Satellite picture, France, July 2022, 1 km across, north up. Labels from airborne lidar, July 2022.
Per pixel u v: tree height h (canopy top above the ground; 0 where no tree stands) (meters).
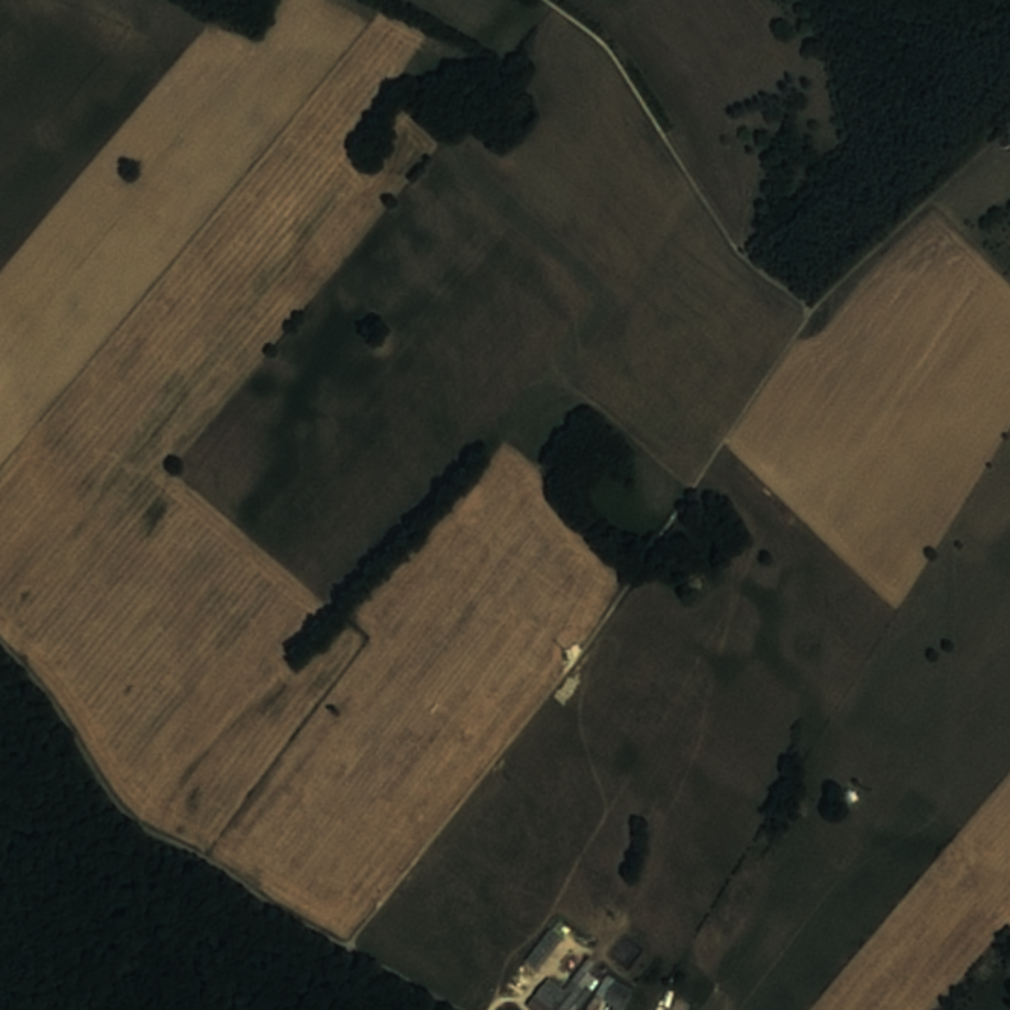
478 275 0
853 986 0
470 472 24
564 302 0
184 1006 18
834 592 0
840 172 13
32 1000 24
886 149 16
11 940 20
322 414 0
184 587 0
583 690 0
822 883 0
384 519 0
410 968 0
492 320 0
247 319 0
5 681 25
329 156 0
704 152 0
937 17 9
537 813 0
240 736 0
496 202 0
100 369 0
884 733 0
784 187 15
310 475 0
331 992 26
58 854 28
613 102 0
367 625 0
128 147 0
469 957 0
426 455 0
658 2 0
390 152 15
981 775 0
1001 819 0
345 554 0
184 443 0
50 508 0
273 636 0
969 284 0
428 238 0
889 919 0
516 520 0
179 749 0
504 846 0
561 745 0
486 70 19
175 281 0
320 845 0
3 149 0
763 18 0
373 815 0
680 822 0
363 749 0
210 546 0
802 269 19
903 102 12
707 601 0
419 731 0
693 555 14
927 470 0
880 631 0
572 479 22
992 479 0
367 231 0
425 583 0
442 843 0
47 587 0
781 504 0
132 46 0
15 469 0
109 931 27
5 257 0
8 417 0
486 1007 0
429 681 0
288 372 0
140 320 0
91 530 0
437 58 0
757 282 0
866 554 0
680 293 0
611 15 0
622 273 0
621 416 0
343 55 0
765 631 0
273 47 0
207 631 0
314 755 0
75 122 0
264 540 0
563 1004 0
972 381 0
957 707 0
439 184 0
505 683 0
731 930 0
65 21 0
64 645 0
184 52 0
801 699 0
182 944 22
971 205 0
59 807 30
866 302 0
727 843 0
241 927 24
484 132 17
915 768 0
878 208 16
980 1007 0
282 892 0
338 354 0
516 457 0
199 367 0
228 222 0
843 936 0
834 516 0
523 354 0
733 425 0
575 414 12
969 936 0
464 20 0
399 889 0
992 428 0
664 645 0
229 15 15
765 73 0
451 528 0
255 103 0
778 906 0
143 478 0
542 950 0
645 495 0
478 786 0
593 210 0
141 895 28
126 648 0
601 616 0
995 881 0
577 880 0
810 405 0
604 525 10
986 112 14
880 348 0
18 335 0
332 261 0
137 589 0
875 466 0
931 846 0
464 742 0
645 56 0
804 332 0
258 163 0
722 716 0
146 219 0
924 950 0
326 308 0
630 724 0
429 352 0
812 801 0
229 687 0
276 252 0
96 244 0
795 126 12
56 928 23
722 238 0
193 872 27
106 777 0
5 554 0
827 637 0
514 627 0
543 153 0
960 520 0
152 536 0
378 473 0
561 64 0
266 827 0
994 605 0
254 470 0
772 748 0
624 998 0
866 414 0
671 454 0
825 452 0
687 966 0
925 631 0
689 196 0
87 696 0
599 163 0
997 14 13
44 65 0
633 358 0
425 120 20
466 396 0
